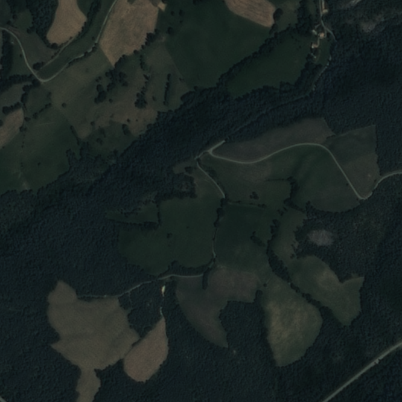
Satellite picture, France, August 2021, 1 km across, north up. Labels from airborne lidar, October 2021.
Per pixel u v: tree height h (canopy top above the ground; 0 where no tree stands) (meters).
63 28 0
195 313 0
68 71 0
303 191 0
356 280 0
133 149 21
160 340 0
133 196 12
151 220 0
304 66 0
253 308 13
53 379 8
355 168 0
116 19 0
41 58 0
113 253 8
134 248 0
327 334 19
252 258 0
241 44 0
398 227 13
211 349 13
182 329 8
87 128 0
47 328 10
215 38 0
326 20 8
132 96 0
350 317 0
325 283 0
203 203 0
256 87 0
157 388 13
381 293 13
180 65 0
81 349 0
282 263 12
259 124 14
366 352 12
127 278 9
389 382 16
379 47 14
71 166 9
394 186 10
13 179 0
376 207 7
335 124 8
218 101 14
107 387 13
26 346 10
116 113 0
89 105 0
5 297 12
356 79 18
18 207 6
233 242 0
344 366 12
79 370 11
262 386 12
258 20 0
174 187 14
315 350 14
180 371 12
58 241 14
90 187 8
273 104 21
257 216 0
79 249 7
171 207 0
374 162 0
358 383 10
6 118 0
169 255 0
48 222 10
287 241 0
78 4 0
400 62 14
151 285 9
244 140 11
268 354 11
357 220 8
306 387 17
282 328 0
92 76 0
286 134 0
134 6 0
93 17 13
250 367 8
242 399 10
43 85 0
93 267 9
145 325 9
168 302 9
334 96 17
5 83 21
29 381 16
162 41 0
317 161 0
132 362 0
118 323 0
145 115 0
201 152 11
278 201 0
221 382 11
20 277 18
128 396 8
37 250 16
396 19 6
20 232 18
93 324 0
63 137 0
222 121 16
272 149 0
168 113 6
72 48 0
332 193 0
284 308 0
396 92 9
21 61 0
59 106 0
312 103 13
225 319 10
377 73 20
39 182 0
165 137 17
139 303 8
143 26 0
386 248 13
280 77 0
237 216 0
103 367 0
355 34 9
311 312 0
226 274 0
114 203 14
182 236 0
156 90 0
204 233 0
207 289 7
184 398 14
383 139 8
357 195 0
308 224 10
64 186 19
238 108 20
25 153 0
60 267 17
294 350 0
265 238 0
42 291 16
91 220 15
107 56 0
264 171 0
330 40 7
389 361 11
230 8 0
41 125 0
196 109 24
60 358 14
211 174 8
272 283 0
